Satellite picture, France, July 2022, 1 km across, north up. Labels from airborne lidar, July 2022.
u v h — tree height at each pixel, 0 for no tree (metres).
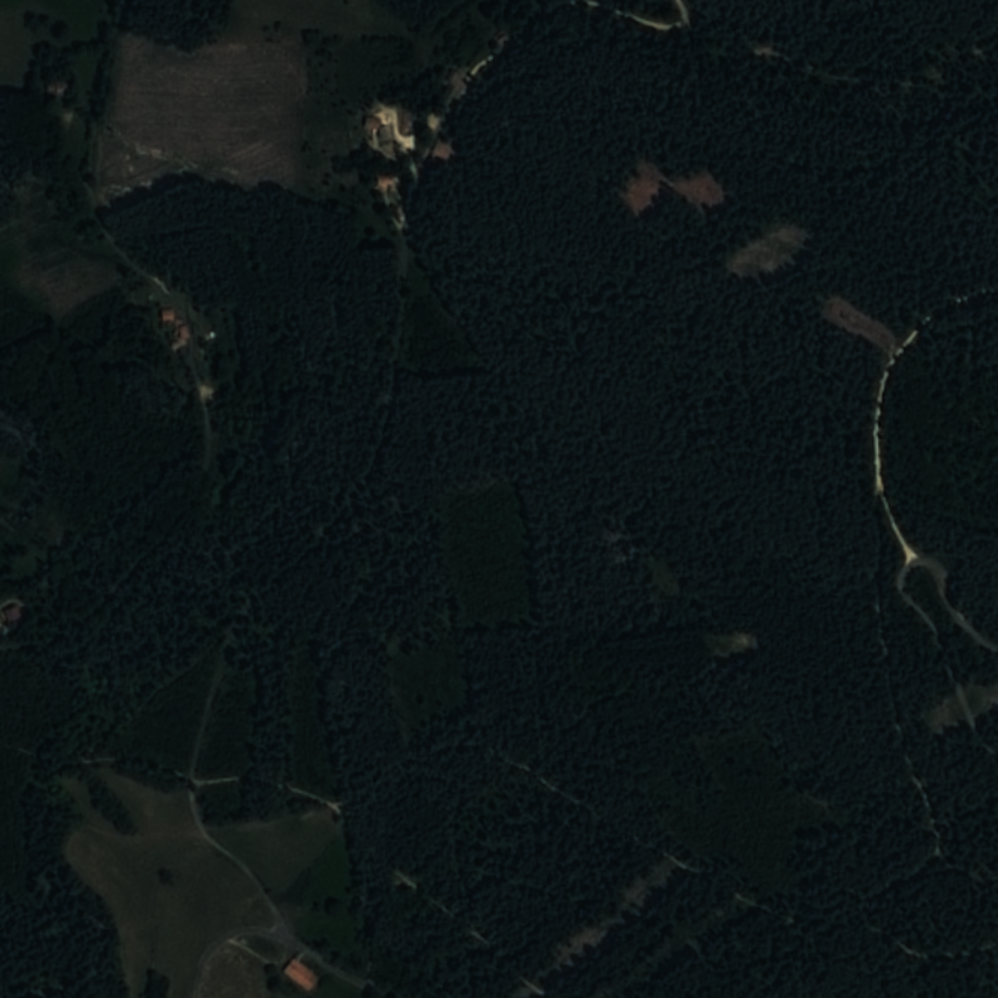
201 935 0
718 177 22
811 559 20
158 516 18
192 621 22
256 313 23
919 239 24
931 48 11
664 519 26
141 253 18
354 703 22
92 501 9
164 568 13
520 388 27
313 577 17
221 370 20
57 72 14
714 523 19
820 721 24
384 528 15
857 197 20
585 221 18
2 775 7
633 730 22
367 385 23
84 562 20
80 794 0
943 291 24
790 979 25
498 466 22
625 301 22
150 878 0
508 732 17
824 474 20
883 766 25
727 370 17
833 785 26
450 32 13
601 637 16
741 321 23
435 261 9
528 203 22
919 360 8
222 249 26
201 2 14
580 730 23
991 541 19
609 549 21
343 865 0
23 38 0
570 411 21
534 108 17
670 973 23
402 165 13
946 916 20
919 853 20
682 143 23
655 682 19
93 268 0
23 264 0
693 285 22
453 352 7
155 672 20
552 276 24
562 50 22
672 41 16
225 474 17
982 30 24
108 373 20
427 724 9
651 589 14
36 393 11
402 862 18
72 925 14
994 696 0
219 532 18
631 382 23
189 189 24
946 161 17
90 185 17
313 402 22
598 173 23
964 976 14
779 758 25
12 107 24
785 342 25
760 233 23
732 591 16
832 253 20
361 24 0
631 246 23
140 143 0
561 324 22
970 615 11
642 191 0
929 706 27
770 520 25
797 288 20
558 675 20
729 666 18
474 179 23
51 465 8
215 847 0
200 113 0
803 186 16
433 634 8
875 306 23
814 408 24
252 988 0
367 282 25
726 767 6
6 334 7
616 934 16
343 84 0
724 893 21
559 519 23
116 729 10
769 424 23
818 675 19
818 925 24
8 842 7
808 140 20
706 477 24
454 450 25
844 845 25
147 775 12
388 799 18
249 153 0
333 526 13
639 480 21
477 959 21
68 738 12
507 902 22
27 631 14
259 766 21
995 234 26
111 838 0
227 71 0
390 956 20
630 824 21
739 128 21
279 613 17
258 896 0
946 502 10
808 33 24
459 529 6
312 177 0
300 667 6
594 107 27
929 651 15
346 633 13
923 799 20
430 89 17
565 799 13
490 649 18
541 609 27
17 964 23
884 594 20
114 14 16
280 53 0
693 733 14
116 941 13
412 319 7
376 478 18
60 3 0
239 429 15
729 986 19
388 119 0
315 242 22
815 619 13
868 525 26
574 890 22
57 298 0
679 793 13
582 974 22
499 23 16
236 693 6
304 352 18
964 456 11
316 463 18
